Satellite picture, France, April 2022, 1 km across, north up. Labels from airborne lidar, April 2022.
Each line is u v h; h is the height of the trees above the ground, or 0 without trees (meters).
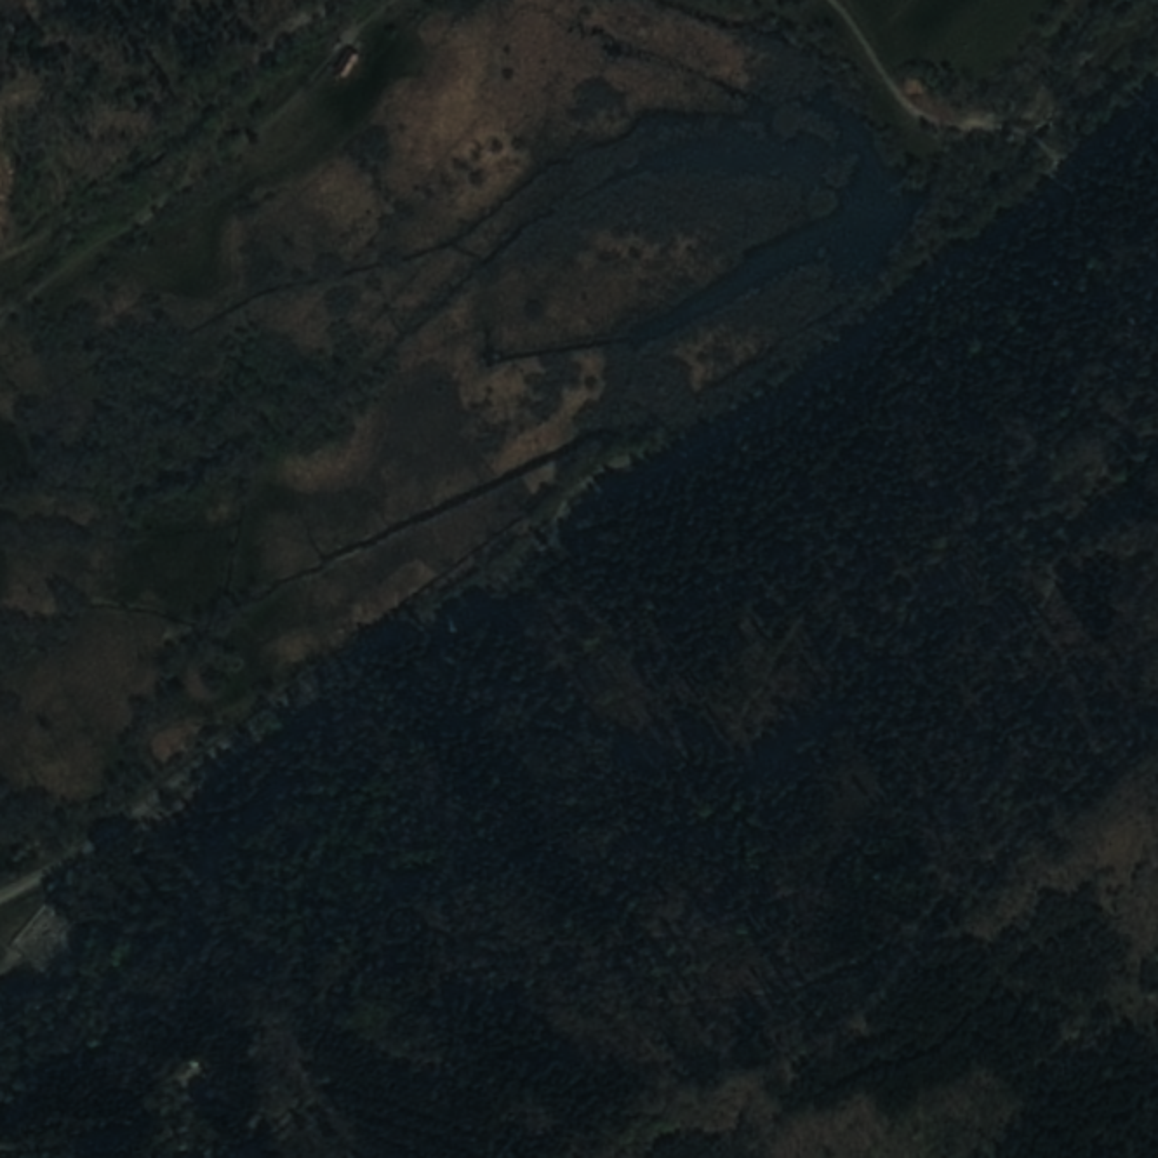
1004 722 32
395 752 35
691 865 37
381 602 0
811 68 6
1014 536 27
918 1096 26
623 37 0
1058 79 17
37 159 17
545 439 0
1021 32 0
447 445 0
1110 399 30
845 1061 23
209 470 17
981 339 36
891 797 35
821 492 23
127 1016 23
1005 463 28
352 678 27
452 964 27
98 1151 24
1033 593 27
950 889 9
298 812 29
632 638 32
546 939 28
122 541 7
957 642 31
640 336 0
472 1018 29
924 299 25
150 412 14
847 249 0
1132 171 41
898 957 9
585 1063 33
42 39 13
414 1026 20
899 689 32
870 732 28
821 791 35
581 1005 30
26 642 18
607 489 0
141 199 18
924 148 0
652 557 29
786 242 0
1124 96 28
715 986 7
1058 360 29
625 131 0
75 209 7
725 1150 14
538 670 33
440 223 0
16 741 0
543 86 0
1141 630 18
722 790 34
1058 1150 31
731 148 0
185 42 36
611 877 33
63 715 0
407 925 26
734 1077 15
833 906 9
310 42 15
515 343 0
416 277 0
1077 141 24
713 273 0
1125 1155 29
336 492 0
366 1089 22
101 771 0
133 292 0
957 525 31
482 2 0
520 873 35
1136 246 26
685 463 31
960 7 0
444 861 29
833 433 33
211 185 17
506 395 0
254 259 0
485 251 0
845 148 0
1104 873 6
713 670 34
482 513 0
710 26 0
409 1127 20
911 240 13
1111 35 13
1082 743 32
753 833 33
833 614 29
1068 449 20
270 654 0
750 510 25
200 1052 23
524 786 36
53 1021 25
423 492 0
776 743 0
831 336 13
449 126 0
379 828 27
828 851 34
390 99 0
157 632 0
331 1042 20
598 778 31
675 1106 19
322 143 0
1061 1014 17
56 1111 26
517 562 0
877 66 0
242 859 29
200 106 16
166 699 18
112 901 17
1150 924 8
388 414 0
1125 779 19
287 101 0
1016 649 29
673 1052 24
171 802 25
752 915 10
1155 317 21
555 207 6
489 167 0
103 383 7
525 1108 17
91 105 7
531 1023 32
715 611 38
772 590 32
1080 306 32
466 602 0
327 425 14
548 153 0
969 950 19
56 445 13
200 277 0
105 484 16
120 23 37
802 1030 23
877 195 0
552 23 0
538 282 0
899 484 35
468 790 31
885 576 29
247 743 23
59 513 0
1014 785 30
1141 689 14
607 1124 12
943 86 10
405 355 0
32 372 0
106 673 0
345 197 0
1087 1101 35
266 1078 18
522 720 33
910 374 25
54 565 0
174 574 0
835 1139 13
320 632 0
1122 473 12
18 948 0
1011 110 14
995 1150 15
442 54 0
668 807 37
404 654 33
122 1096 27
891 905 10
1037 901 11
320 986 14
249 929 29
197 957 25
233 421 19
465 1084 20
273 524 0
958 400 34
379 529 0
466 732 37
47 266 8
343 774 28
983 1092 19
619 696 28
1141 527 23
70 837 19
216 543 0
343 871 29
